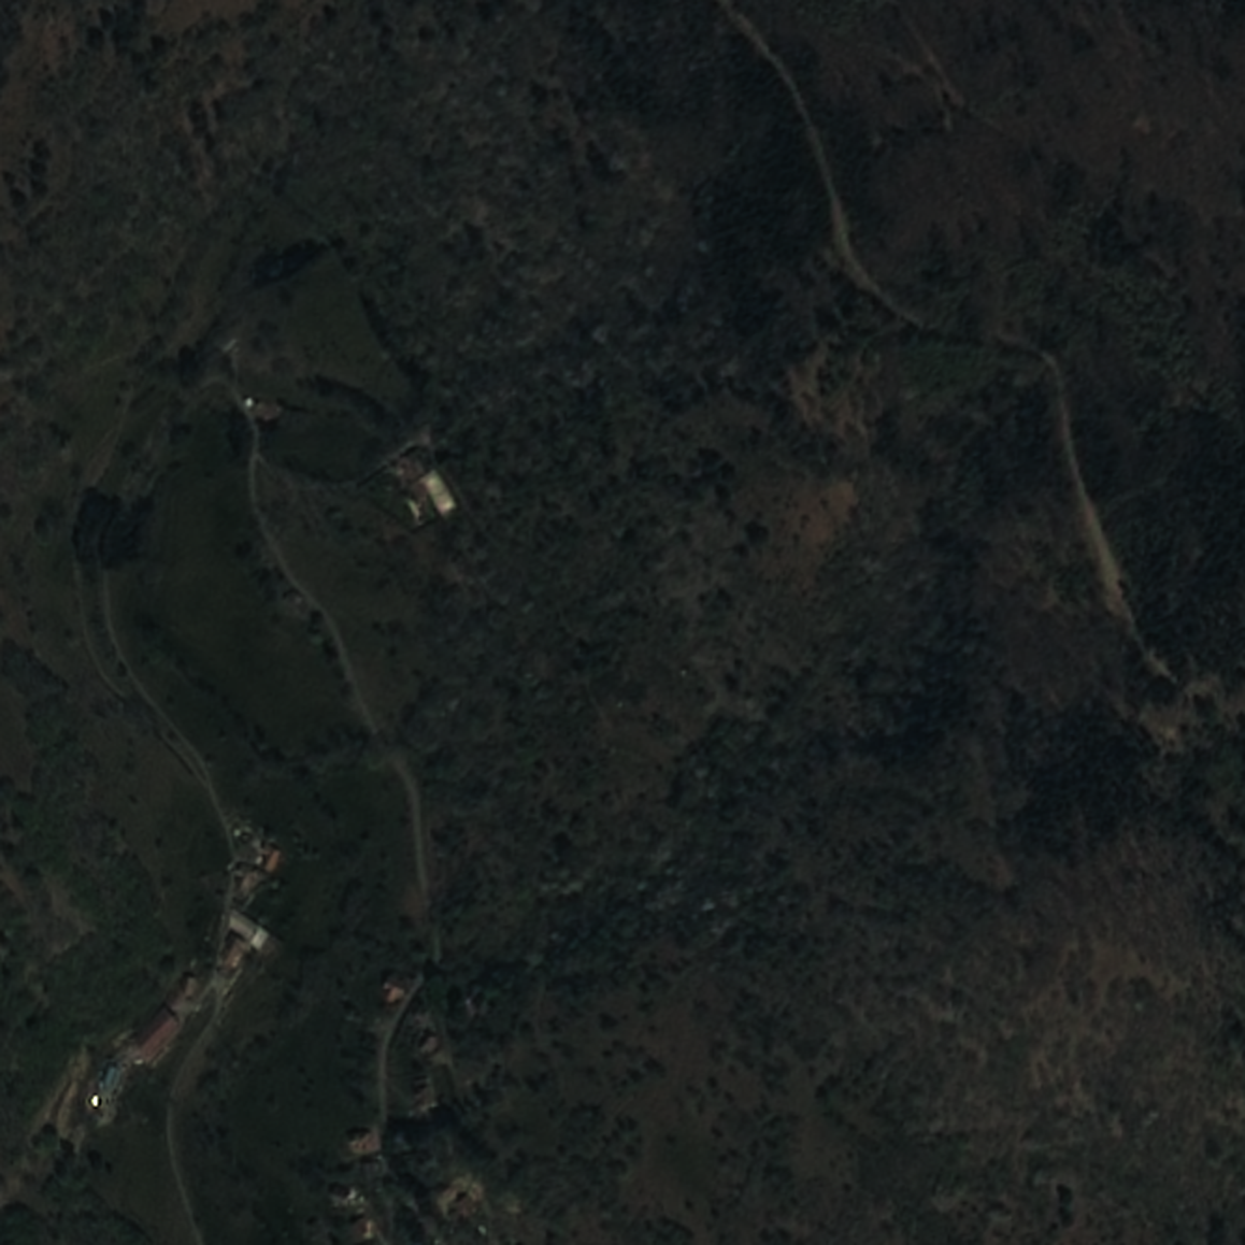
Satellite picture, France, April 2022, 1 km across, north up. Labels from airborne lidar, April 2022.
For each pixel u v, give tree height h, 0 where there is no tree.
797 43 19
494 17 19
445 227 10
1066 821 23
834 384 10
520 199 11
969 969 9
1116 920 21
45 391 15
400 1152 16
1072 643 14
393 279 6
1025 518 27
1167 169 19
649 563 9
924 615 10
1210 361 18
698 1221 0
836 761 19
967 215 19
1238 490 24
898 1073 10
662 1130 0
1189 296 15
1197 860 20
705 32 25
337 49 21
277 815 0
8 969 8
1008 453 20
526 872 9
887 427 16
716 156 23
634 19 23
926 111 10
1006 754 14
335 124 8
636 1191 0
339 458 0
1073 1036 9
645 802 9
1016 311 15
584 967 15
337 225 11
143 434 0
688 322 19
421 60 8
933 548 20
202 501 0
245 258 21
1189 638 22
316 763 19
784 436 15
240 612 0
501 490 12
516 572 8
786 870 16
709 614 9
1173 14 17
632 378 13
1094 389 17
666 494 15
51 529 24
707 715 9
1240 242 15
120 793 0
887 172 13
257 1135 0
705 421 0
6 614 22
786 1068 7
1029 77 18
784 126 20
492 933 10
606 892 22
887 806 0
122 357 0
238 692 0
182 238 24
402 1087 0
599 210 9
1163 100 14
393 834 0
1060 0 8
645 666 0
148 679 0
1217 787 8
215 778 0
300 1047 0
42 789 14
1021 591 15
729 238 16
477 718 16
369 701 0
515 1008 8
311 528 9
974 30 13
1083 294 16
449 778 20
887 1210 13
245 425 21
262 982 0
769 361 19
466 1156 19
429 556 0
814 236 18
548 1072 7
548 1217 12
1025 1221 10
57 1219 10
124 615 0
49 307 18
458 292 18
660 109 25
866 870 8
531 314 14
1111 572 0
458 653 17
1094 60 12
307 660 0
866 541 11
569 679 7
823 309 10
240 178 18
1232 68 16
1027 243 21
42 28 0
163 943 17
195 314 10
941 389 18
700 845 19
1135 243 9
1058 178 14
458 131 11
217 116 20
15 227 9
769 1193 11
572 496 10
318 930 0
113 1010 18
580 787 7
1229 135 15
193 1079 0
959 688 23
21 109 0
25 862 17
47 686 24
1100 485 13
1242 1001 9
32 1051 16
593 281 23
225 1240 0
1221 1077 9
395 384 0
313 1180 17
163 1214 0
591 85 18
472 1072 9
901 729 19
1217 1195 7
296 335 0
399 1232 19
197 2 0
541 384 9
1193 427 19
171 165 17
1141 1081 14
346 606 0
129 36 28
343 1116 0
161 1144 0
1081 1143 13
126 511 21
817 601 6
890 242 17
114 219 12
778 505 6
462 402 16
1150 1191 13
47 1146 12
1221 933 20
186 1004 0
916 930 10
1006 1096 8
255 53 20
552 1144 0
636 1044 0
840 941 8
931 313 20
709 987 0
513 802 8
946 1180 7
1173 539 20
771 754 14
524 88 20
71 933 16
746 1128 0
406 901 0
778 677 11
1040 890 21
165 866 0
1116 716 24
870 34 15
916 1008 9
